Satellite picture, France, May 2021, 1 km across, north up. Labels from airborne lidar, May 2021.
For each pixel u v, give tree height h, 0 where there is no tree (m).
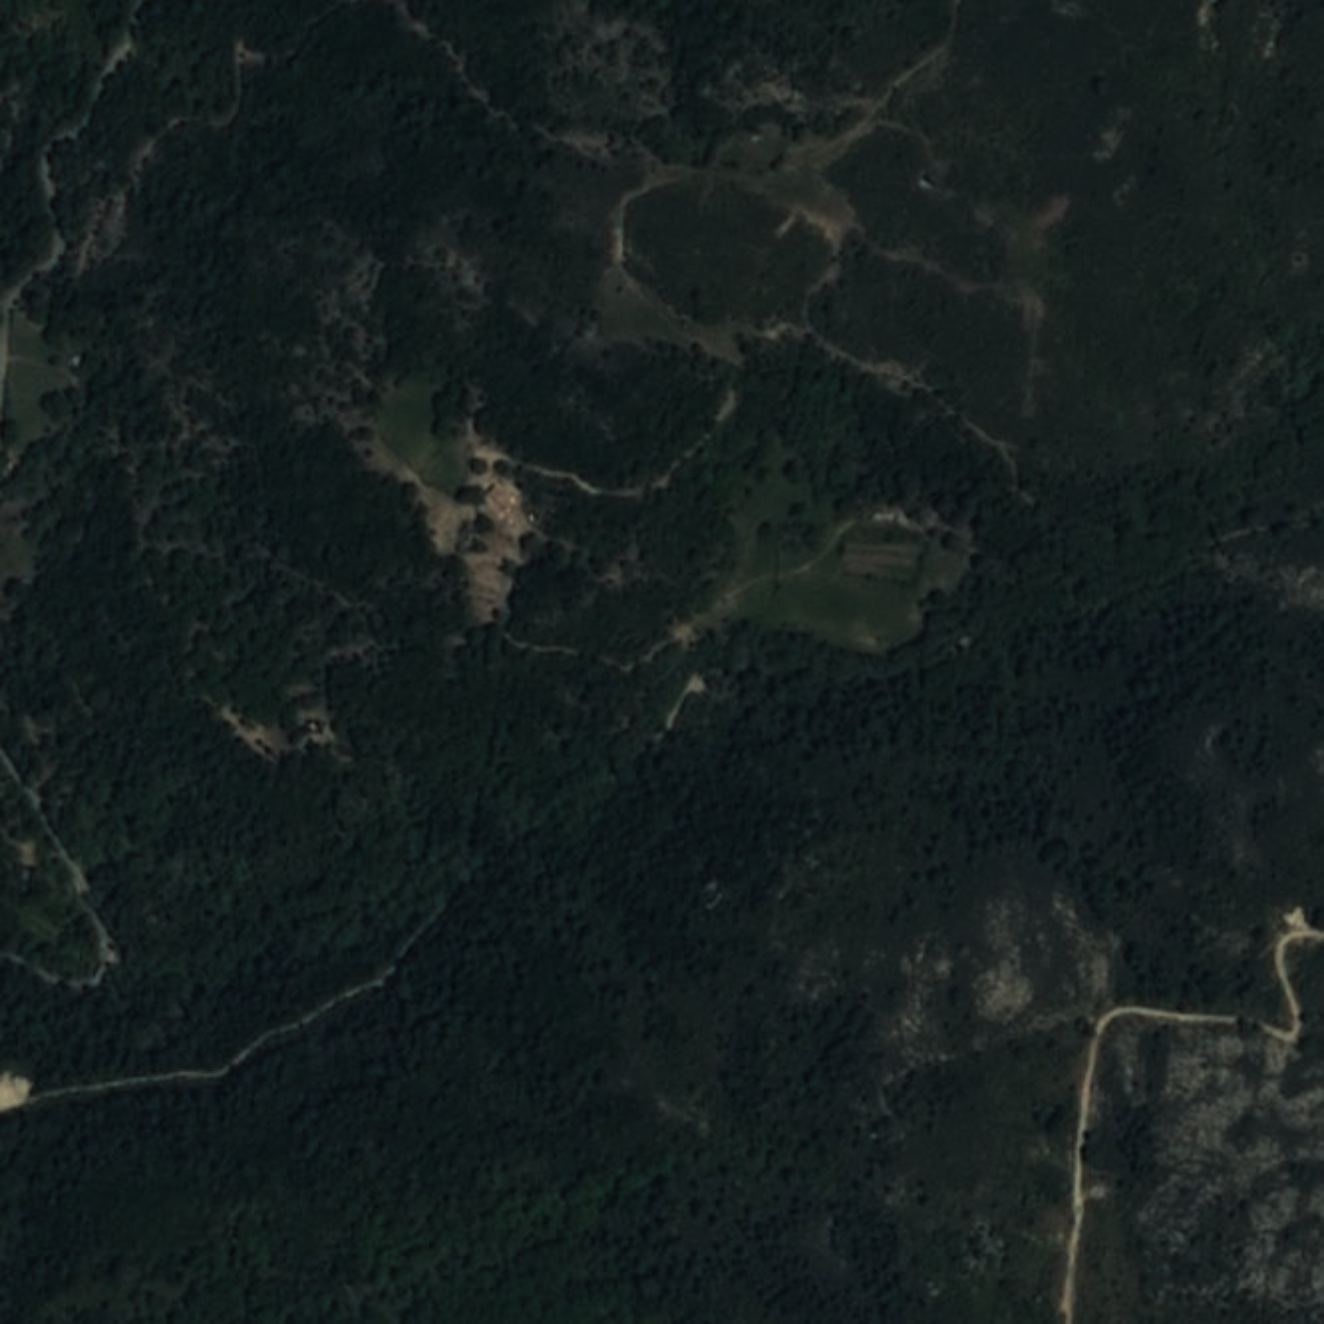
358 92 18
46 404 9
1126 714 16
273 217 7
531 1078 8
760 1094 8
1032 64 0
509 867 12
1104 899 17
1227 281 8
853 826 6
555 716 14
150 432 8
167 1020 20
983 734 18
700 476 14
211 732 13
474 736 18
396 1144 10
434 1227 14
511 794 16
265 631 16
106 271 5
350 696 12
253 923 20
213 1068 12
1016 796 6
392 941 10
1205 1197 0
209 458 8
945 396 7
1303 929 0
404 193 7
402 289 11
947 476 10
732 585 0
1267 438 9
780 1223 12
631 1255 16
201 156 6
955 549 17
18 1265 8
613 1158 8
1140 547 23
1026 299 0
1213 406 6
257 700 19
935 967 0
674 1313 8
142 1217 8
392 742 8
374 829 21
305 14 8
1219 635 14
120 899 19
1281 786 0
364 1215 10
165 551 10
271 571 12
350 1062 7
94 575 12
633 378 5
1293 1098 0
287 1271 7
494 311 7
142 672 11
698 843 12
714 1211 6
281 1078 12
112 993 22
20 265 18
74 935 12
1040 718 7
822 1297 9
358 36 6
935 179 0
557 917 6
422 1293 24
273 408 7
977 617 19
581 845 12
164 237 10
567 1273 15
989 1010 0
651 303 0
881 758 6
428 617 13
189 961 9
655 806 9
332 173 8
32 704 13
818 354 8
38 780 16
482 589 0
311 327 6
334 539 12
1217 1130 0
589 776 22
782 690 20
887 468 6
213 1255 16
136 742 16
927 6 8
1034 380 0
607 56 7
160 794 15
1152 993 7
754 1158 15
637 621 8
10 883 13
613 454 5
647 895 8
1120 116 0
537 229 5
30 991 28
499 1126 9
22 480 19
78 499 8
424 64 8
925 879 14
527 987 10
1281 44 6
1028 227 0
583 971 17
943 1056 0
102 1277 8
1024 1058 13
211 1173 11
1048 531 6
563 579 13
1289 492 6
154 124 9
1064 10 0
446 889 11
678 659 23
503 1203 16
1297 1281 0
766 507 0
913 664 8
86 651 10
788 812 10
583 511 7
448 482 0
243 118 7
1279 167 10
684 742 8
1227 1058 0
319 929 17
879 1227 10
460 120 7
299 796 12
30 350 0
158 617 12
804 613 0
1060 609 16
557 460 7
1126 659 12
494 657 11
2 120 9
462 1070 6
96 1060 15
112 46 8
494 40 7
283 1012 11
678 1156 8
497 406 8
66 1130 7
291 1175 8
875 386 9
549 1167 8
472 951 20
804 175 0
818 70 8
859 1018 13
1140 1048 0
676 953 9
